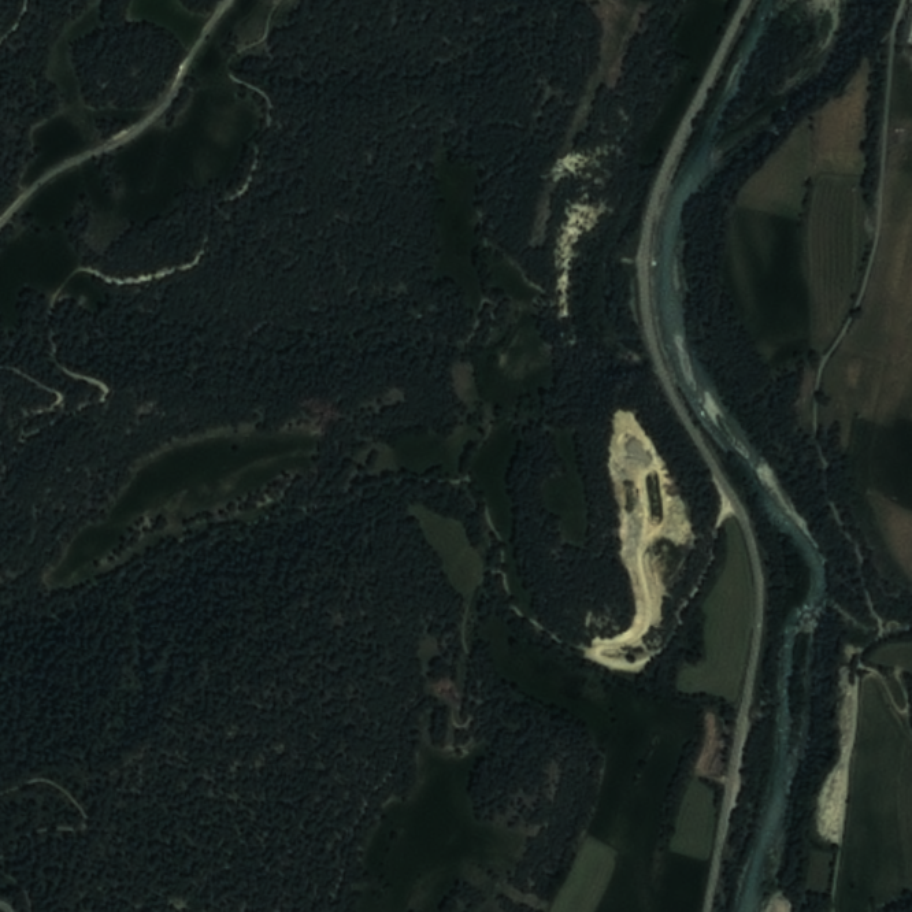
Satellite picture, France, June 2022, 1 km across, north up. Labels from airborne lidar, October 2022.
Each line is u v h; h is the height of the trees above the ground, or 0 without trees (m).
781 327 0
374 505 17
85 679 22
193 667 13
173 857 19
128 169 0
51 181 0
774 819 0
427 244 16
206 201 11
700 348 16
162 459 0
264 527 13
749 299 0
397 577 9
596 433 14
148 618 14
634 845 0
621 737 0
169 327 15
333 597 13
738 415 12
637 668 0
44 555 14
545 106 7
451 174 0
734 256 0
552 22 9
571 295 13
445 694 0
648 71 17
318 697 14
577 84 17
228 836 19
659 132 0
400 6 8
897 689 0
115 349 17
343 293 11
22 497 10
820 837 0
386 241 14
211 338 15
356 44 13
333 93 16
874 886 0
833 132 0
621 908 0
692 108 0
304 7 12
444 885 0
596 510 11
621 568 15
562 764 8
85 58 7
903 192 0
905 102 0
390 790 12
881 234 0
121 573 15
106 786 15
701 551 9
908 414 0
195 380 10
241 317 13
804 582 8
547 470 12
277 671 10
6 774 15
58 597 19
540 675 0
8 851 8
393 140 16
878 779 0
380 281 13
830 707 12
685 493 9
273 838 12
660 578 0
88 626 23
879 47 9
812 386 0
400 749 14
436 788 0
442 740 13
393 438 15
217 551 10
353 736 16
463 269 0
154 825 11
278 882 19
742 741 0
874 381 0
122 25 13
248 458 0
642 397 7
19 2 15
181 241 8
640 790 0
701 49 0
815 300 0
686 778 12
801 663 8
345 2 12
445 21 12
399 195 16
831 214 0
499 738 0
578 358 13
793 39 16
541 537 8
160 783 8
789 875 15
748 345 12
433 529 0
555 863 13
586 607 7
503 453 0
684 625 9
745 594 0
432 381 13
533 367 0
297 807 20
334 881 18
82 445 10
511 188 14
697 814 0
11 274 0
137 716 9
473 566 0
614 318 18
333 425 13
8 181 15
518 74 15
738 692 0
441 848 0
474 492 14
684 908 0
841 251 0
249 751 11
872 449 0
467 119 17
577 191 7
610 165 7
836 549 9
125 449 13
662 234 0
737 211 0
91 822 12
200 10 7
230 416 12
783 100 6
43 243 0
